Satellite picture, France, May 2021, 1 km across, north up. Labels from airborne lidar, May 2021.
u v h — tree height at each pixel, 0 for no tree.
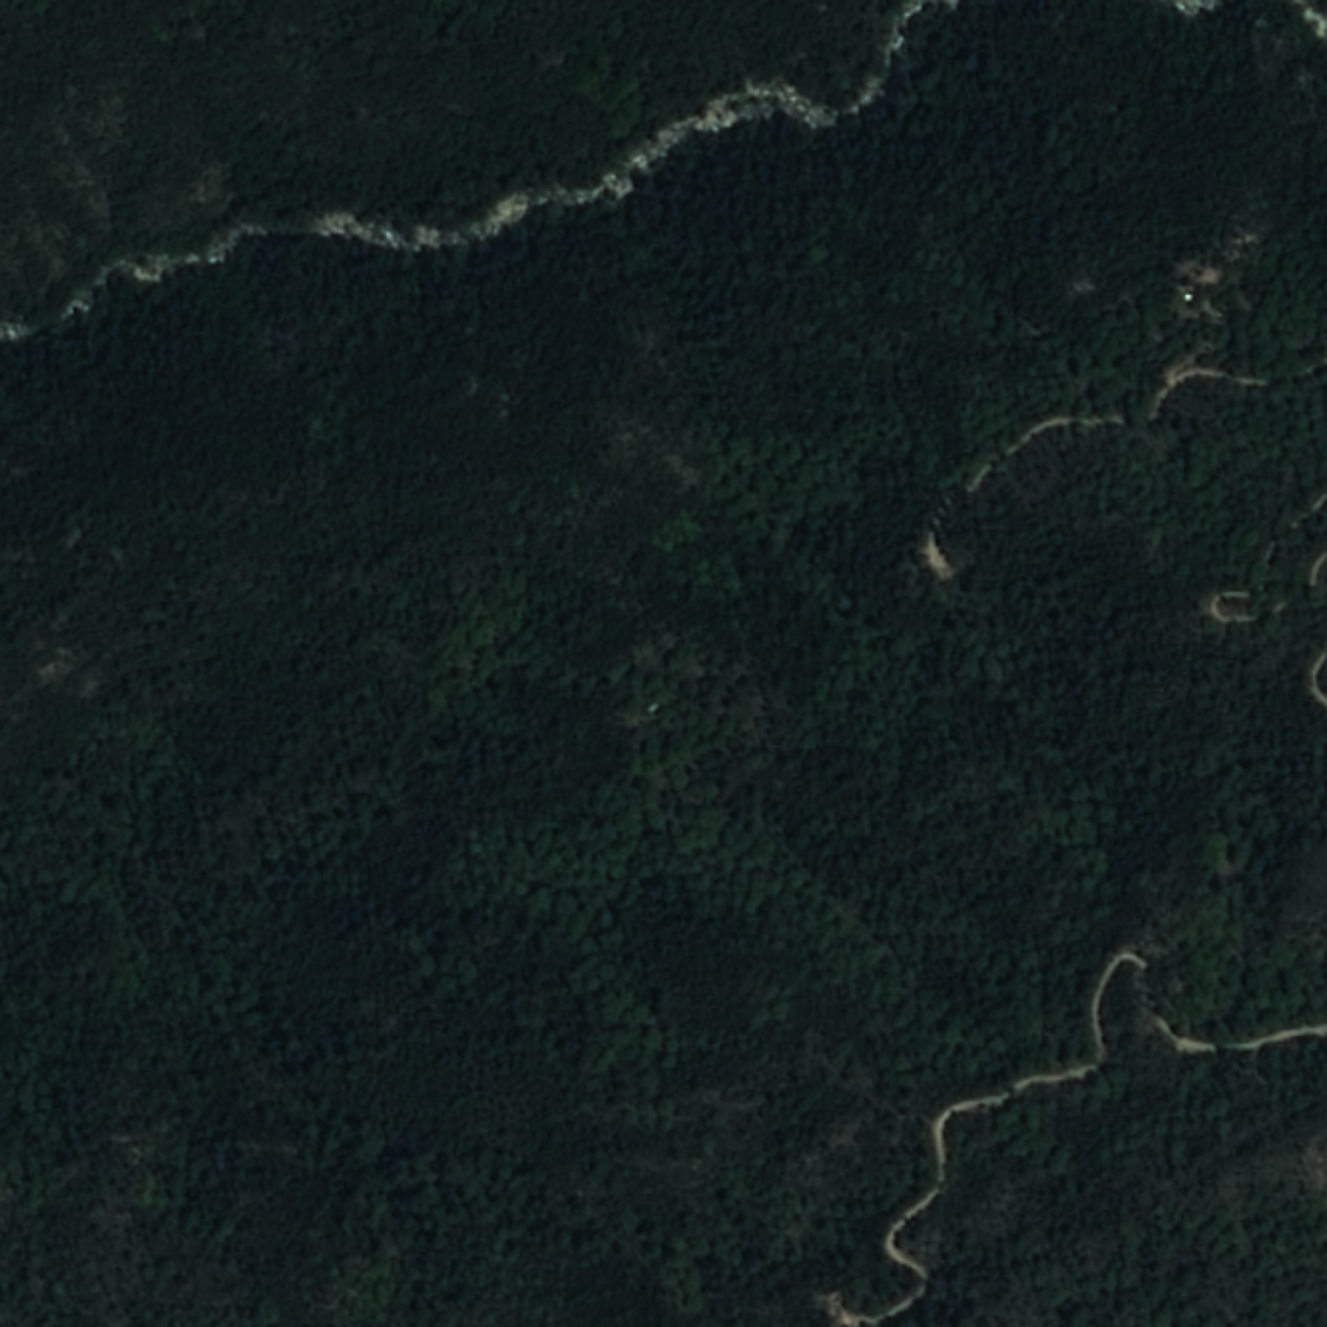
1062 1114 8
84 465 11
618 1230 12
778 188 15
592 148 13
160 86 12
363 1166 10
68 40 12
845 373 11
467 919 8
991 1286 16
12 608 11
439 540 8
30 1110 16
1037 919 6
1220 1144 7
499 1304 8
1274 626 15
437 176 14
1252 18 22
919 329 10
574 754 8
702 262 8
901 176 14
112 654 7
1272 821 14
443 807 18
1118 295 12
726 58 10
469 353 11
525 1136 11
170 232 26
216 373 11
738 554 8
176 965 11
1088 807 17
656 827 16
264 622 9
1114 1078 16
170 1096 12
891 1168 12
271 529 7
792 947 7
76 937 16
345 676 11
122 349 16
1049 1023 18
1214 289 11
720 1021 9
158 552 15
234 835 14
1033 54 9
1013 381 9
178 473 9
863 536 6
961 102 15
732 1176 15
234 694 10
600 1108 9
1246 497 9
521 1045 19
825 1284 7
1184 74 20
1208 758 22
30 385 14
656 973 9
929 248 9
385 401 7
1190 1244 13
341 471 10
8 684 7
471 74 10
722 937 10
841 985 7
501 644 8
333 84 16
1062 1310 13
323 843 12
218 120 18
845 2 11
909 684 11
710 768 18
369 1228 9
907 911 19
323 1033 14
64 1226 7
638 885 7
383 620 15
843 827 12
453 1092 12
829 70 24
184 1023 6
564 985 6
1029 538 14
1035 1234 19
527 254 9
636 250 17
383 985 9
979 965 14
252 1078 10
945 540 16
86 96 10
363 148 15
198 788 11
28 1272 15
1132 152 14
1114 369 18
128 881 17
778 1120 8
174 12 16
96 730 10
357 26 16
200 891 6
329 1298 17
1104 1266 14
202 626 25
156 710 8
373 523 7
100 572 17
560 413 14
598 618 10
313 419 15
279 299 12
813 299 8
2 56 10
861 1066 10
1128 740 10
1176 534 12
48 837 8
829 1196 14
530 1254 10
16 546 15
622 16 9
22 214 11
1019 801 18
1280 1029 16
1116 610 10
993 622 14
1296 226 14
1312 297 10
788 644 8
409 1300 14
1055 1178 7
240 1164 17
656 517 7
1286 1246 14
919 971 15
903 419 12
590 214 19
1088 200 12
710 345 18
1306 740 13
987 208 12
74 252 12
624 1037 20
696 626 10
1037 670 6
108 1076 15
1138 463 13
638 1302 9
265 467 8
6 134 10
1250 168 8
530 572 11
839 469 17
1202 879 6
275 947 9
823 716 12
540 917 9
